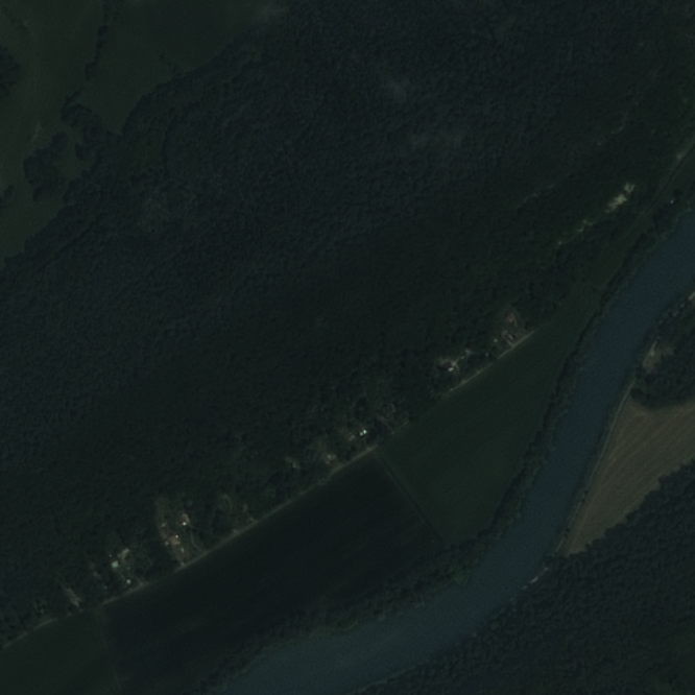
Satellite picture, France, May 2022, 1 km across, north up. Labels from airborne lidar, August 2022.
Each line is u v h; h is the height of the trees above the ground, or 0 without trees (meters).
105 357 12
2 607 17
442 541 0
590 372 0
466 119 15
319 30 20
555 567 17
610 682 19
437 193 13
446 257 19
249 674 0
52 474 13
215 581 0
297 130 13
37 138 0
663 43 13
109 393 11
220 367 14
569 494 0
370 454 0
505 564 0
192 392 16
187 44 0
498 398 0
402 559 0
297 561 0
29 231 0
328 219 14
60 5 0
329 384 23
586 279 8
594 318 7
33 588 16
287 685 0
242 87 20
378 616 17
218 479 14
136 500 22
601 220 6
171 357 10
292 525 0
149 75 0
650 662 26
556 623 20
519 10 21
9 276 11
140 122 18
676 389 23
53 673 0
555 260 8
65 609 14
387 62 13
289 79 19
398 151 19
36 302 20
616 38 13
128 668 0
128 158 21
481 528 0
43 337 19
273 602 0
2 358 23
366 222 15
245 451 13
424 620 0
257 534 0
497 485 0
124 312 12
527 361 0
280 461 21
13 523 16
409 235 11
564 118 7
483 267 21
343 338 18
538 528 0
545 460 13
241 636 0
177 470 21
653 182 16
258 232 18
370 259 11
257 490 16
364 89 18
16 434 11
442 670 23
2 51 21
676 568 18
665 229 16
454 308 16
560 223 17
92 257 16
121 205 25
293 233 12
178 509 6
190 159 21
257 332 15
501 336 6
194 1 0
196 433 20
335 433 24
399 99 15
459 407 0
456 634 0
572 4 18
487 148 18
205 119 18
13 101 0
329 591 0
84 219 20
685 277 0
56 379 14
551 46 20
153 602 0
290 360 13
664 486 18
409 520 0
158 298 13
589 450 0
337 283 10
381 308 16
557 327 0
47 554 17
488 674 20
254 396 20
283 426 26
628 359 0
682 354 20
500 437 0
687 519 22
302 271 7
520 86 21
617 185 17
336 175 16
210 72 20
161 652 0
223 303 12
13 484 10
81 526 22
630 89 16
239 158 17
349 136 15
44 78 0
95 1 0
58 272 24
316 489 0
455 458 0
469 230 17
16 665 0
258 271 13
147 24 0
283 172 16
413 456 0
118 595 11
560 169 8
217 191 21
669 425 0
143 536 22
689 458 0
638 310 0
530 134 15
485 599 0
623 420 0
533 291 19
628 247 0
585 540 0
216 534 17
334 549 0
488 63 18
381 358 25
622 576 22
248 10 0
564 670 6
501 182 16
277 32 19
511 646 25
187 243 15
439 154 21
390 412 24
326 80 14
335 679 0
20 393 16
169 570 17
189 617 0
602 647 21
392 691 8
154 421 15
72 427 13
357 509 0
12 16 8
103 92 0
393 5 21
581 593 22
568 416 0
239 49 19
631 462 0
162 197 22
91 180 22
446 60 12
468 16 23
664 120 19
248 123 20
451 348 28
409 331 25
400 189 17
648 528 20
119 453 18
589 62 11
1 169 0
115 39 0
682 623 23
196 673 0
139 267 17
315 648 0
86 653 0
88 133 15
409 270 12
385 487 0
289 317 12
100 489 19
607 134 9
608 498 0
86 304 15
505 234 23
